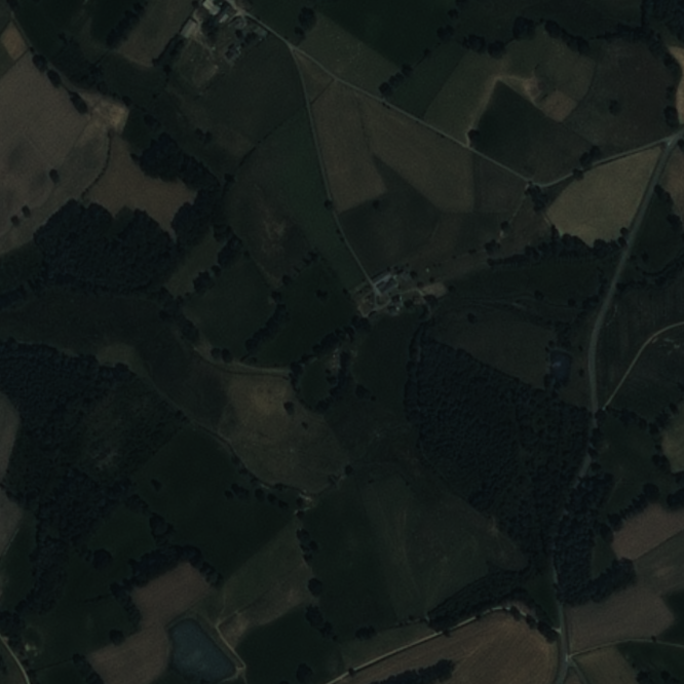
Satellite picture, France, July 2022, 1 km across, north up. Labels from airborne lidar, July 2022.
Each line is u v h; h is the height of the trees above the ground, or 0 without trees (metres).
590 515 27
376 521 0
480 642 0
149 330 0
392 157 0
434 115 0
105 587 0
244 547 0
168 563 26
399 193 0
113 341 0
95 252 24
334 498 0
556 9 0
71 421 27
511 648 0
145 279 21
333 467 0
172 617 0
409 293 0
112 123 0
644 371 0
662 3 27
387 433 0
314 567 0
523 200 0
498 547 0
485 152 0
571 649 0
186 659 0
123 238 20
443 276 0
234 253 24
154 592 0
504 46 18
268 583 0
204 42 0
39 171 0
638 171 0
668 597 0
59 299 0
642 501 17
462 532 0
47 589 28
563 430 10
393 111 0
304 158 0
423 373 14
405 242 0
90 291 16
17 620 20
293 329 0
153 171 23
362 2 0
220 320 0
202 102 0
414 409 10
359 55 0
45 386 19
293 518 0
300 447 0
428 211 0
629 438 0
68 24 0
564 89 0
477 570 0
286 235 0
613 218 0
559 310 0
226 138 0
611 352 0
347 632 0
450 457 15
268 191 0
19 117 0
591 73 0
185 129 0
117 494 22
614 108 10
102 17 0
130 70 0
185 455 0
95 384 17
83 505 18
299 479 0
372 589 0
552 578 0
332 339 18
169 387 0
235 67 0
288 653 0
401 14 0
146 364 0
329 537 0
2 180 0
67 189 0
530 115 0
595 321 0
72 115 0
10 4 17
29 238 0
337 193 0
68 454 5
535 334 0
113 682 0
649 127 0
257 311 0
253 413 0
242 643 0
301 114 0
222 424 0
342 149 0
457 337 0
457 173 0
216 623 0
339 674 0
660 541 0
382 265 0
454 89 0
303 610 0
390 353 0
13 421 0
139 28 0
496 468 21
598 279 0
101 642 0
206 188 21
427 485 0
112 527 0
